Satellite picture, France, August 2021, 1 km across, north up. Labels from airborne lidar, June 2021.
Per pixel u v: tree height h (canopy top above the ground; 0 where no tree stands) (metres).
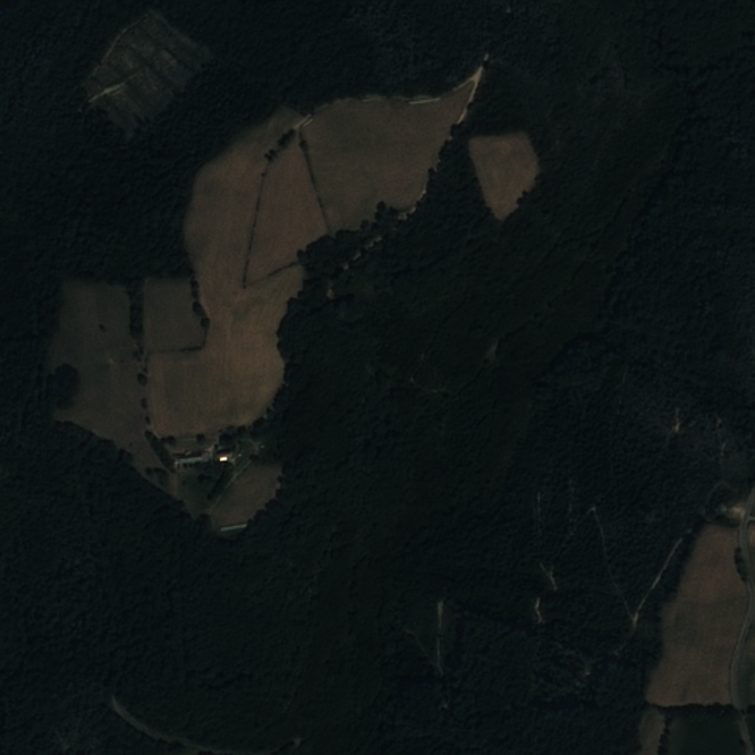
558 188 6
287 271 0
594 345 27
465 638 20
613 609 6
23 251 15
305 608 26
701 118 7
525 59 18
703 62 25
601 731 21
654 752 0
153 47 0
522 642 25
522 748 25
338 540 13
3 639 14
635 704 12
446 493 10
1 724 10
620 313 24
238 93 6
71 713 8
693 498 0
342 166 0
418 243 16
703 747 0
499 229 15
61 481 26
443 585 9
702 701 0
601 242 11
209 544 14
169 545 22
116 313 0
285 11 27
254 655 22
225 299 0
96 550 16
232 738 20
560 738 28
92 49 18
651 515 18
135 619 18
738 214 20
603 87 13
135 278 7
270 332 0
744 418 24
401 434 16
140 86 0
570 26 19
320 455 20
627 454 7
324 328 27
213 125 6
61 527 19
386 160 0
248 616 20
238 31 23
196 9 19
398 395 11
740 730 0
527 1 19
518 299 9
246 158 0
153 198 6
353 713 9
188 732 14
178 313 0
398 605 12
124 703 16
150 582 28
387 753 15
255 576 19
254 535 15
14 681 24
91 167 9
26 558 22
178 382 0
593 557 6
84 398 0
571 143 7
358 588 15
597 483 6
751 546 0
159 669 21
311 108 9
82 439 16
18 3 23
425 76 18
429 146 0
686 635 0
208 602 24
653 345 20
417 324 9
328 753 12
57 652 25
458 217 8
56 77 16
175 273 7
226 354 0
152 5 16
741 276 16
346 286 10
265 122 0
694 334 26
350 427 24
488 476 9
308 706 9
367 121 0
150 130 6
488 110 6
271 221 0
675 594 13
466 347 10
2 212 21
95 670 25
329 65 15
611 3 22
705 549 0
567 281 8
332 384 16
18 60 16
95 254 20
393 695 9
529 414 10
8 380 21
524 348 11
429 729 25
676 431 0
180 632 18
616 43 5
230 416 0
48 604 18
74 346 0
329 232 0
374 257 16
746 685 0
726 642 0
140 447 0
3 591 20
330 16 23
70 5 16
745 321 13
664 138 7
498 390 11
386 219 17
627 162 7
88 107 11
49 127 16
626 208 10
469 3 19
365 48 18
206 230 0
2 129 14
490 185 0
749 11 26
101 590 20
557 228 19
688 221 21
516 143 0
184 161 6
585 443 8
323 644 13
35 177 18
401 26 22
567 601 7
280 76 20
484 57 6
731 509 0
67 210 19
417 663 12
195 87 6
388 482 19
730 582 0
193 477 0
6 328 13
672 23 19
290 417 15
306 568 25
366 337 23
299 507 12
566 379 29
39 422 15
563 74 17
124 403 0
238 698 25
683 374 25
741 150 19
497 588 13
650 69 26
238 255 0
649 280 26
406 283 30
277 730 11
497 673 25
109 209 10
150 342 0
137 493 24
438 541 8
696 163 22
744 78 25
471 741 24
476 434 6
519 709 30
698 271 22
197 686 21
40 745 18
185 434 0
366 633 9
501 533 13
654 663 14
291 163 0
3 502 23
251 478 0
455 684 18
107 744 10
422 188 0
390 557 16
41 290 11
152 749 24
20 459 25
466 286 18
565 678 15
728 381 15
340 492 29
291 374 14
